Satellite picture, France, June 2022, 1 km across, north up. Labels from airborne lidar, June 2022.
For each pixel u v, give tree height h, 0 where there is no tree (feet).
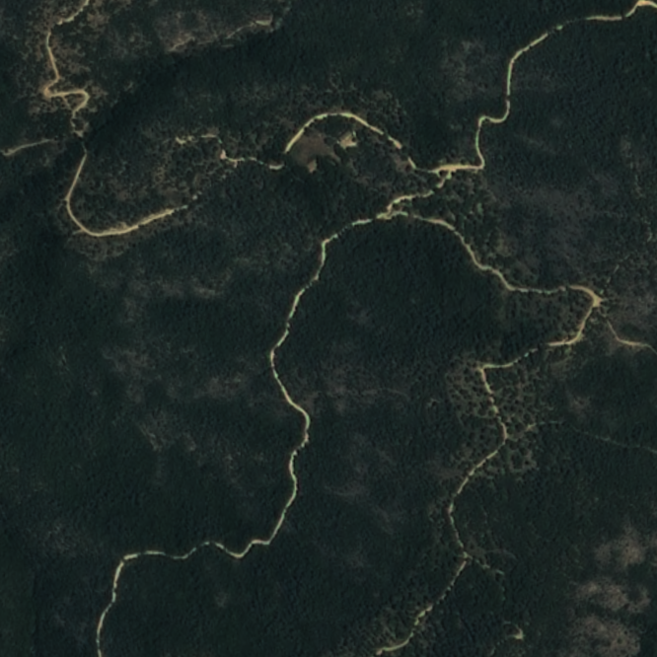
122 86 19
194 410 20
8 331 25
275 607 44
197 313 63
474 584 33
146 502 27
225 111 25
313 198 43
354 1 25
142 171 42
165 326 23
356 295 30
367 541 24
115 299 21
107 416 21
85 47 26
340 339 24
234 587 28
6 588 22
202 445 24
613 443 51
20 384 19
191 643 35
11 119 28
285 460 27
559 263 21
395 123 26
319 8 40
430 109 24
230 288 18
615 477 28
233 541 44
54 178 20
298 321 25
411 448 22
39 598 27
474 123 26
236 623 27
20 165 29
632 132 41
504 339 27
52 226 22
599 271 22
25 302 55
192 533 27
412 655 24
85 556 24
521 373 28
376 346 20
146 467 27
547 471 29
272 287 42
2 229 60
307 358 29
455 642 35
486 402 28
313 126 19
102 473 35
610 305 25
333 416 22
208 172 27
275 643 26
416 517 22
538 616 35
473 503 28
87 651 38
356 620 23
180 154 19
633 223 20
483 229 31
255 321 36
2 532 39
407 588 30
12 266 57
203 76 24
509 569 35
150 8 25
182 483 18
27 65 23
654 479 23
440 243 52
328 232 33
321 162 43
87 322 32
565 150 20
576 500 29
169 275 18
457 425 25
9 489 28
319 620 23
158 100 39
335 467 24
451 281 22
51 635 26
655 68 41
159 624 28
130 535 45
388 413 27
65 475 23
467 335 32
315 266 31
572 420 23
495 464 29
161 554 40
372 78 23
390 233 30
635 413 25
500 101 26
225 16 21
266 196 23
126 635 39
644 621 19
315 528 28
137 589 22
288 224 43
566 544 33
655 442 43
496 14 22
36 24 21
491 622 46
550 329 19
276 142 23
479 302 22
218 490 28
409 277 53
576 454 36
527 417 27
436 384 31
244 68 35
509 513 28
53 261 25
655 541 0
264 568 47
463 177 30
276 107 22
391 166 23
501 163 26
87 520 48
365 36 24
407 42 23
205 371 22
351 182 40
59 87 23
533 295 30
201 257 34
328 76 39
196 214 35
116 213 27
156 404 20
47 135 33
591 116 41
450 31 23
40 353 23
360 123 0
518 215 21
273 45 42
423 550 43
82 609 21
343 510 27
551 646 29
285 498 35
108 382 25
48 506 22
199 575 31
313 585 57
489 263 22
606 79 53
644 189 22
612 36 32
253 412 20
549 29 34
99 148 35
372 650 28
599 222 23
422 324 28
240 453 22
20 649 42
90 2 24
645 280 23
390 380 20
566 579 22
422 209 31
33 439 20
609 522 23
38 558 26
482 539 25
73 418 38
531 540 32
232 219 42
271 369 33
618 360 26
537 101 22
